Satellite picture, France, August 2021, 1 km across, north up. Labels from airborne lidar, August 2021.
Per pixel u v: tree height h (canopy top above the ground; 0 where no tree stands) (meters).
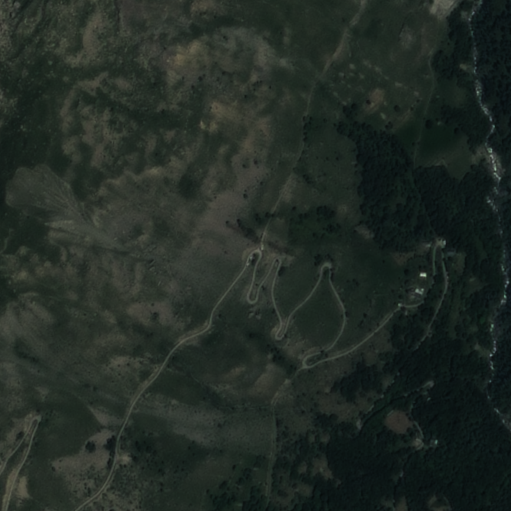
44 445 0
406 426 0
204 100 0
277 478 9
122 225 0
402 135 0
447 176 17
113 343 0
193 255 0
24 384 0
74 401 0
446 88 0
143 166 0
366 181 18
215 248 0
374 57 0
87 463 0
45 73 0
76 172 0
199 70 0
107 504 0
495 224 11
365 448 13
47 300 0
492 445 10
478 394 23
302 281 0
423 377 20
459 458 15
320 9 0
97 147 0
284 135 0
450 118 8
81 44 0
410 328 7
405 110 0
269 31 0
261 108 0
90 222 0
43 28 0
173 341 0
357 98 0
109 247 0
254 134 0
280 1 0
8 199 0
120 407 0
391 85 0
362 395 9
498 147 11
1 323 0
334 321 0
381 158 18
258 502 9
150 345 0
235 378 0
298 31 0
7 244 0
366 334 0
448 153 0
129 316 0
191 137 0
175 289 0
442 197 14
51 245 0
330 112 0
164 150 0
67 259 0
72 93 0
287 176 0
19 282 0
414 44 0
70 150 0
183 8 0
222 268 0
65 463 0
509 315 8
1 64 0
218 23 0
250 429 0
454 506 14
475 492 19
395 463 11
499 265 17
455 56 10
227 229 0
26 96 0
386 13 0
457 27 11
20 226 0
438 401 16
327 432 9
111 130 0
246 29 0
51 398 0
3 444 0
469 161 0
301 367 0
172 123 0
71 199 0
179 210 0
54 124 0
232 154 0
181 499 0
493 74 13
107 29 0
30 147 0
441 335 17
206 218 0
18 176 0
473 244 12
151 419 0
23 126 0
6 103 0
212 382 0
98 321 0
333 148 0
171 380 0
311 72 0
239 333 0
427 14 0
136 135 0
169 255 0
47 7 0
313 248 0
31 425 0
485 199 12
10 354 0
